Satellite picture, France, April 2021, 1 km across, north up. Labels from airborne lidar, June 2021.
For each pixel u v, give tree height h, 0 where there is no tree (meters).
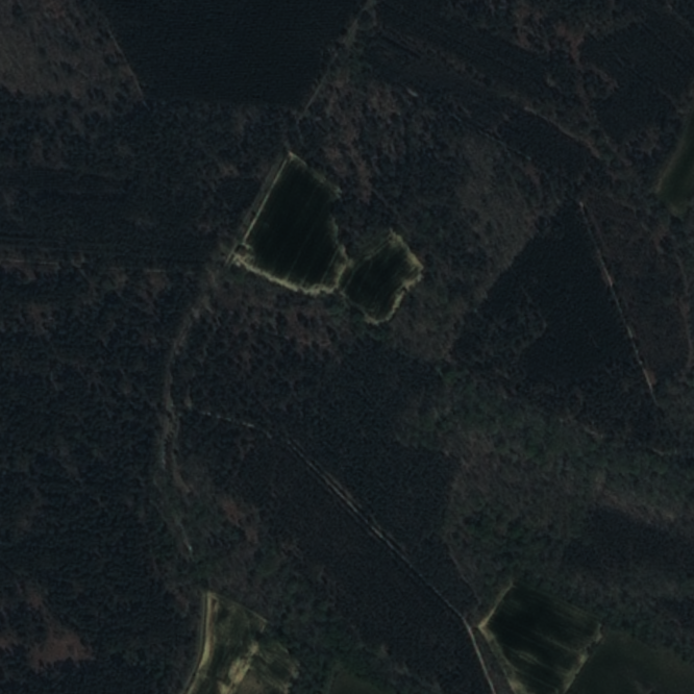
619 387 19
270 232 0
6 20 9
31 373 17
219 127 17
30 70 11
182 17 12
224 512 11
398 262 0
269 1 12
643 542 17
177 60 11
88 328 17
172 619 17
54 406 24
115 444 21
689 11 21
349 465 15
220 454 8
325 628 25
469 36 17
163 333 18
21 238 18
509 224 15
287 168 0
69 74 12
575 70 20
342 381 17
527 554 18
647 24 9
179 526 22
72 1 10
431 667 17
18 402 17
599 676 0
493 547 13
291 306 11
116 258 12
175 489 16
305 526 16
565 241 11
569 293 12
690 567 18
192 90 11
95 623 23
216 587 14
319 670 22
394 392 13
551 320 11
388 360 18
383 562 16
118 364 22
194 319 16
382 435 17
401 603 18
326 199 0
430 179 18
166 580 10
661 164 24
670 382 20
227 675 0
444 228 13
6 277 23
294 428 14
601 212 7
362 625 19
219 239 16
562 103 22
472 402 20
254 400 14
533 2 18
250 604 9
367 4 9
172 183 19
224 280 13
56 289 21
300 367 15
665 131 24
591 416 19
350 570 16
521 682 0
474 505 15
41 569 16
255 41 12
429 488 17
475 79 9
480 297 11
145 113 18
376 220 15
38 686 20
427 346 12
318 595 18
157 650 15
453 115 16
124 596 22
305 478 16
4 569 23
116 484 19
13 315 21
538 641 0
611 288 5
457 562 13
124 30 9
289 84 12
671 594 13
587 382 18
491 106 8
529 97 13
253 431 10
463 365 9
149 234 17
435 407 18
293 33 11
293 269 0
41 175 8
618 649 0
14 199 12
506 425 20
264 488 17
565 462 11
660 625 13
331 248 0
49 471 24
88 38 7
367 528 14
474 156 14
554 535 19
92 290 19
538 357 9
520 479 12
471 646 16
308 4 10
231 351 7
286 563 19
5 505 18
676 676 0
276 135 23
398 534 16
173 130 16
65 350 20
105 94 9
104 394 17
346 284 0
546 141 14
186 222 16
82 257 17
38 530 20
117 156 19
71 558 24
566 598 7
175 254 15
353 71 16
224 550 10
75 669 19
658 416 17
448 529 16
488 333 18
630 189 16
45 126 13
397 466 17
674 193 0
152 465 17
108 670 21
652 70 11
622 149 24
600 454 18
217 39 9
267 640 13
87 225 18
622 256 8
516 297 10
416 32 12
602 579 10
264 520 12
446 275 11
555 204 14
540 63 12
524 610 0
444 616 16
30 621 23
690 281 6
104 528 22
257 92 12
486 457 9
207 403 14
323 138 23
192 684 0
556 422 13
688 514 17
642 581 12
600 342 12
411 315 12
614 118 13
